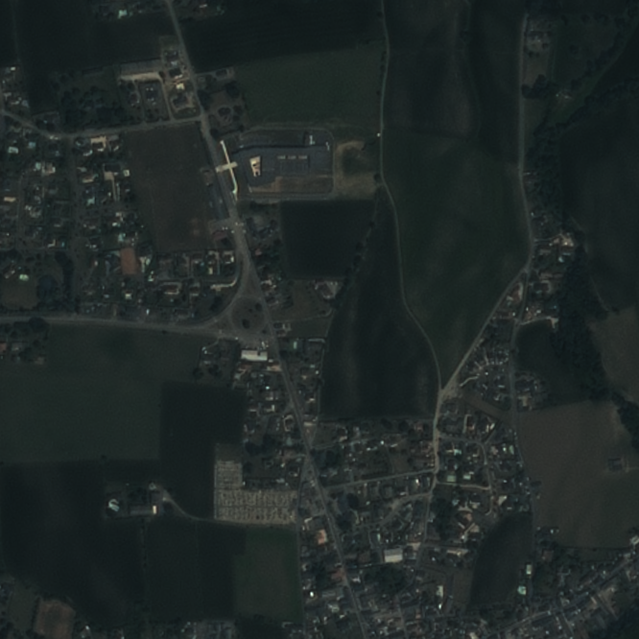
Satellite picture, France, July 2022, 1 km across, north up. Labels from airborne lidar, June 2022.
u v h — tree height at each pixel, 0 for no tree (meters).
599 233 0
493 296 0
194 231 0
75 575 0
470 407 0
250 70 0
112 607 0
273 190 0
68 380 0
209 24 0
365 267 0
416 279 0
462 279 0
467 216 0
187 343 0
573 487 0
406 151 0
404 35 0
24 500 0
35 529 0
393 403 0
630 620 27
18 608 0
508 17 0
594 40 0
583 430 0
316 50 0
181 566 0
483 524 0
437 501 8
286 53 0
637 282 0
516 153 0
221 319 0
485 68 0
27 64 0
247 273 0
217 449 0
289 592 0
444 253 0
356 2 0
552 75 0
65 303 20
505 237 0
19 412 0
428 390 0
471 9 0
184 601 0
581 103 0
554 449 0
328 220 0
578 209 0
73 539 0
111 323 0
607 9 0
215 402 0
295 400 0
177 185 0
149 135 0
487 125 0
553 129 10
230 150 0
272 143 0
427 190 0
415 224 0
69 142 0
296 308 0
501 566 0
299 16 0
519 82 0
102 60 0
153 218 0
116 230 7
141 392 0
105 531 0
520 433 0
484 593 0
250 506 0
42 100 0
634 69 0
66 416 0
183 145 0
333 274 0
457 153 0
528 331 0
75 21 0
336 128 0
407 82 0
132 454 0
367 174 0
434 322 0
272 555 0
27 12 0
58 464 0
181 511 0
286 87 0
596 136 0
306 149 0
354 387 0
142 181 0
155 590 0
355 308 0
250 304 0
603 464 0
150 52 0
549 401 7
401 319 0
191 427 0
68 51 0
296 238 0
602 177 0
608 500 0
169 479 0
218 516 0
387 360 0
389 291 0
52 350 0
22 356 9
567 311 17
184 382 0
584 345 20
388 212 0
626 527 0
